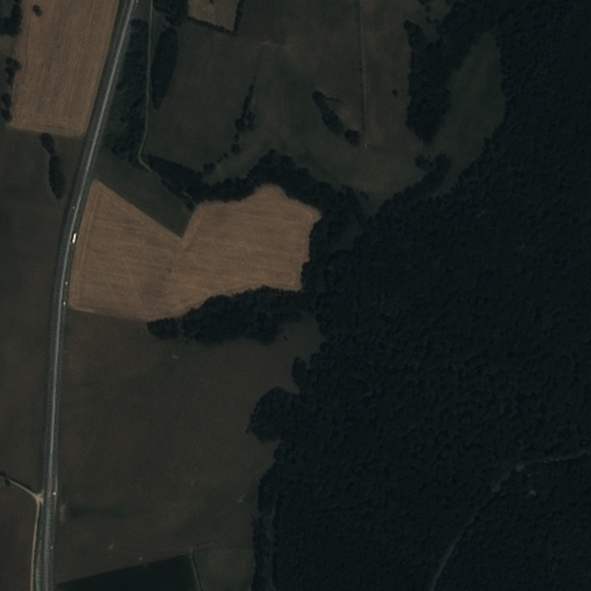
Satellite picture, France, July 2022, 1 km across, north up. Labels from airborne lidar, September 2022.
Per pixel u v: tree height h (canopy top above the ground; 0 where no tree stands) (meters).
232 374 0
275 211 0
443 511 26
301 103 0
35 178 0
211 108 0
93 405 0
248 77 0
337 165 0
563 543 19
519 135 24
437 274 24
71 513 0
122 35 0
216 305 20
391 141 0
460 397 18
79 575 0
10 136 0
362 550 18
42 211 0
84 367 0
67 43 0
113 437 0
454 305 27
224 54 0
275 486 18
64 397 0
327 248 17
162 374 0
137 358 0
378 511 27
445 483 27
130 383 0
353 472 26
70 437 0
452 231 21
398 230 28
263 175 10
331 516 18
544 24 22
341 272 18
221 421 0
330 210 16
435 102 20
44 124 0
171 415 0
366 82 0
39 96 0
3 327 0
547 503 16
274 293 14
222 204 0
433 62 21
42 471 0
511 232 23
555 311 29
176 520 0
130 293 0
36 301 0
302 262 0
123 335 0
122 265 0
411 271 22
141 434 0
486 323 28
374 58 0
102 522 0
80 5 0
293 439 18
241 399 0
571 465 18
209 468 0
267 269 0
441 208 17
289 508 16
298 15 0
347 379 28
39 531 0
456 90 0
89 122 0
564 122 26
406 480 31
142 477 0
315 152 0
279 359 0
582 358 25
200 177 13
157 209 0
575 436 23
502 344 28
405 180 0
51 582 0
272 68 0
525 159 25
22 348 0
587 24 24
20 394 0
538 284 29
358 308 22
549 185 29
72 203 0
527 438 25
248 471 0
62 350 0
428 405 26
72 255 0
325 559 16
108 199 0
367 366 24
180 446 0
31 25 0
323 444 23
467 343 27
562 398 26
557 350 26
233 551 0
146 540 0
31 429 0
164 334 16
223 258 0
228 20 0
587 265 22
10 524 0
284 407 17
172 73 16
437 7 0
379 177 0
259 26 0
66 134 0
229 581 0
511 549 17
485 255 22
